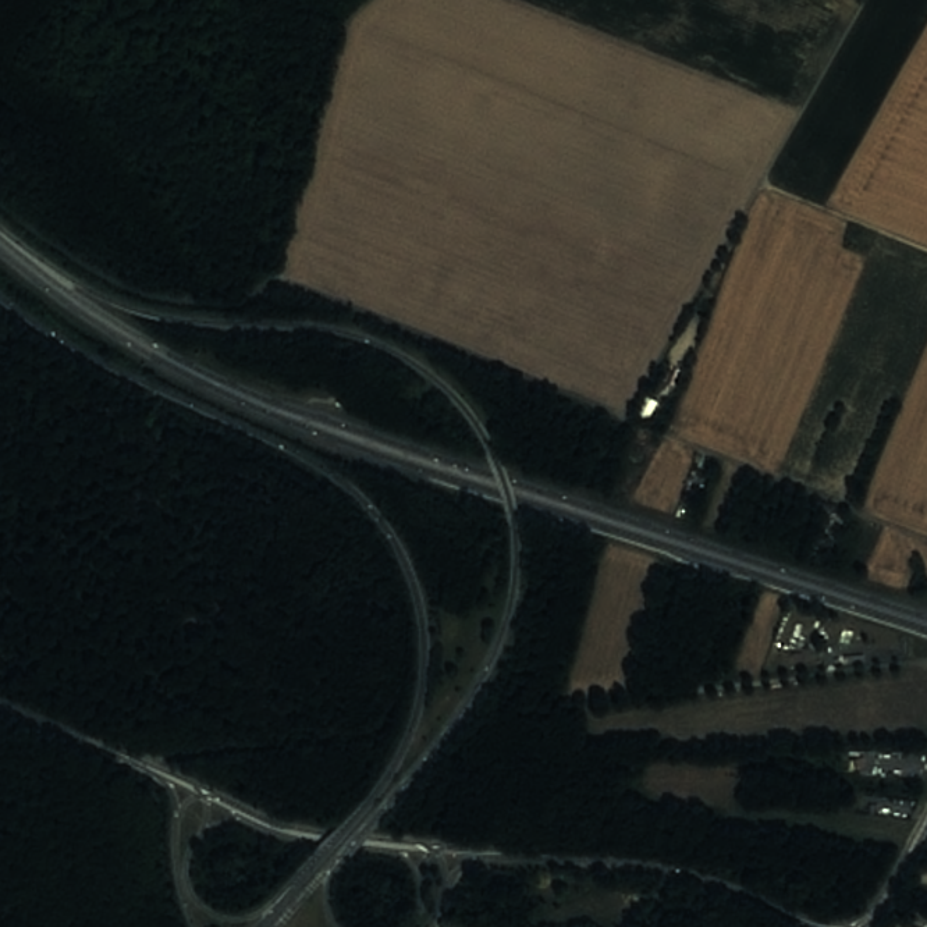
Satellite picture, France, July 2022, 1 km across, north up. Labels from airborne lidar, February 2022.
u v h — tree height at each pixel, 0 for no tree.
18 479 23
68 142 16
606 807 24
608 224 0
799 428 0
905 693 0
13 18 13
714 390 0
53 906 24
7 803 23
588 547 18
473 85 0
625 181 0
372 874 15
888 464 0
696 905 15
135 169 8
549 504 0
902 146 0
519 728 18
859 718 0
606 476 13
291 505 25
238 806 0
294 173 24
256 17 17
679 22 0
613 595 0
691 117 0
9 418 14
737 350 0
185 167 20
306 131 8
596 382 0
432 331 0
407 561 0
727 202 0
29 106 15
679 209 0
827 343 0
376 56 0
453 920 18
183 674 21
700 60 0
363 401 13
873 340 0
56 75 13
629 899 0
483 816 27
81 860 23
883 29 0
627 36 0
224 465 21
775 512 17
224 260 23
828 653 0
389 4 0
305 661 28
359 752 20
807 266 0
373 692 19
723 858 14
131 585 20
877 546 0
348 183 0
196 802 0
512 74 0
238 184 22
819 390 0
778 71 0
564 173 0
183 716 25
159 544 28
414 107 0
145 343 0
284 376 9
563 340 0
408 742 0
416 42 0
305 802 16
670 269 0
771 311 0
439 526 14
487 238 0
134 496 23
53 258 6
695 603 22
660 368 7
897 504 0
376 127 0
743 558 0
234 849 18
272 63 10
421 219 0
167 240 9
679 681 18
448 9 0
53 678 26
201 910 0
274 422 0
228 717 8
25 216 14
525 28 0
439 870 14
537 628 16
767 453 0
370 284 0
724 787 0
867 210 0
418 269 0
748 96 0
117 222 15
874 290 0
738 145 0
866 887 20
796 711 0
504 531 12
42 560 22
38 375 18
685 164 0
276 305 14
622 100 0
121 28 17
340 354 9
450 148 0
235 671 29
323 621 29
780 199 0
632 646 11
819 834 19
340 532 27
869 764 0
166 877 16
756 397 0
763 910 19
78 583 24
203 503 14
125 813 20
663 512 0
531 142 0
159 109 18
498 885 23
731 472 0
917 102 0
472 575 15
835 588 0
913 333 0
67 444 22
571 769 19
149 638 24
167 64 22
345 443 0
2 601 20
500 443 14
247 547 25
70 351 15
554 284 0
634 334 0
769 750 15
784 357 0
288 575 22
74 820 19
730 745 21
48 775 16
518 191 0
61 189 10
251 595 24
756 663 0
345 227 0
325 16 17
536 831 27
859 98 0
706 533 0
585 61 0
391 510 17
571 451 12
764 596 0
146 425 19
